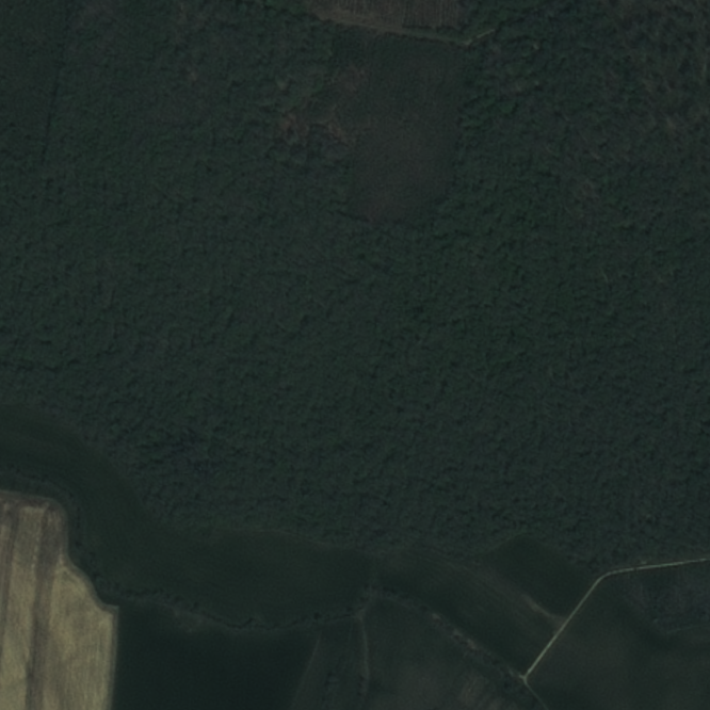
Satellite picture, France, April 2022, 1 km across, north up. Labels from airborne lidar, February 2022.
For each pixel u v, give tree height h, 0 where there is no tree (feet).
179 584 0
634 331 80
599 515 80
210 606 0
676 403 83
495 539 71
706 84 78
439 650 0
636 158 76
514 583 0
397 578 0
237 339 98
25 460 0
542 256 88
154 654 0
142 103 89
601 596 0
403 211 39
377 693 0
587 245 94
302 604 0
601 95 100
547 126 84
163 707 0
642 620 0
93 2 100
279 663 0
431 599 0
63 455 0
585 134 93
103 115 84
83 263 84
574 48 91
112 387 84
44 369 76
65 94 86
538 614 0
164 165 92
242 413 76
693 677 0
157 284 75
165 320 93
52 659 0
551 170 87
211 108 92
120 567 0
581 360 79
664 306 83
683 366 81
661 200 81
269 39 80
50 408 77
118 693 0
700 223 83
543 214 83
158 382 82
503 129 79
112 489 0
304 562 0
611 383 89
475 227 77
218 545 0
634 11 0
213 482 90
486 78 67
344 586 0
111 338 78
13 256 85
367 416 62
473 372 80
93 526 0
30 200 87
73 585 0
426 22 0
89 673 0
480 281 84
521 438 77
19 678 0
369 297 82
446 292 69
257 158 87
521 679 0
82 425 60
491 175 77
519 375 75
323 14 0
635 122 96
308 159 76
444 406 84
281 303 87
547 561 0
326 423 85
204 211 84
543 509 83
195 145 81
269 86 77
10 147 65
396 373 63
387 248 90
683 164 82
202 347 83
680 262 80
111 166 86
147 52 79
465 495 83
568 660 0
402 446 87
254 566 0
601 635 0
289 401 88
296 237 102
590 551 98
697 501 84
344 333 83
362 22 0
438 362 75
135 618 0
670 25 88
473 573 0
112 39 104
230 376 83
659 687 0
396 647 0
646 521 90
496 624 0
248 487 81
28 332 85
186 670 0
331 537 57
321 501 95
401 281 82
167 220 82
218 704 0
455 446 78
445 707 0
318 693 0
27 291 80
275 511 85
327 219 99
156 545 0
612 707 0
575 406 87
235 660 0
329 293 74
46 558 0
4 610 0
